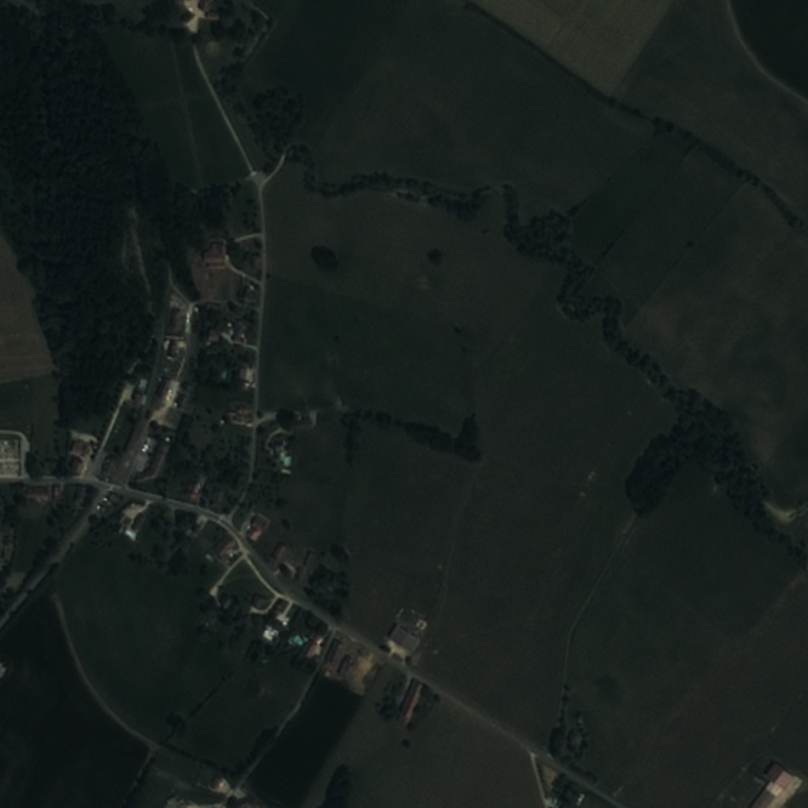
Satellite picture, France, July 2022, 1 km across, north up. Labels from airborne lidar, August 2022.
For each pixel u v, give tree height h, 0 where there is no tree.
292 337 0
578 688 0
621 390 0
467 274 0
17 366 0
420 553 0
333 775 0
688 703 0
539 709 0
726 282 0
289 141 14
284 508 10
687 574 0
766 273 0
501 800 0
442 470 0
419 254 0
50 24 21
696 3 0
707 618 0
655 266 0
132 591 0
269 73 0
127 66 0
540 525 0
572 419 0
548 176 0
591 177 0
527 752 0
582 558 0
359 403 0
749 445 0
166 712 0
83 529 0
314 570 0
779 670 0
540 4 0
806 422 0
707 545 0
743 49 0
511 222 13
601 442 0
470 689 0
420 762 0
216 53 0
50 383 0
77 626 0
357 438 19
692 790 0
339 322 0
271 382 0
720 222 0
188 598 0
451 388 0
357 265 0
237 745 0
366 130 0
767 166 0
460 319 0
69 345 22
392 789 0
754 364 0
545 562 0
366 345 0
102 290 24
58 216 20
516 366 0
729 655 0
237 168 0
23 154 9
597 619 0
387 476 0
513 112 0
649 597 0
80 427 0
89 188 11
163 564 8
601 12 0
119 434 0
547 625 0
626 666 0
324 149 0
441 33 0
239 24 25
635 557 0
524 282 0
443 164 0
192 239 16
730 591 0
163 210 20
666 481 24
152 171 19
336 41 0
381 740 0
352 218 0
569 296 15
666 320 0
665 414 0
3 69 32
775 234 0
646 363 16
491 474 0
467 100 0
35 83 6
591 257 0
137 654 0
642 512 17
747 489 16
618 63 0
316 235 0
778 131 0
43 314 9
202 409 0
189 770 0
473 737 0
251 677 0
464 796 0
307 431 0
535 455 0
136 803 13
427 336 0
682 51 0
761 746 0
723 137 0
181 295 0
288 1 0
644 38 0
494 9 0
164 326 0
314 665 7
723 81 0
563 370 0
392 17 0
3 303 0
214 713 0
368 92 0
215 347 11
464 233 0
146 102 0
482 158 0
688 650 0
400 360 0
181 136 0
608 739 0
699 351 0
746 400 0
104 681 0
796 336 0
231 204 20
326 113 0
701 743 0
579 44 0
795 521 0
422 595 0
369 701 0
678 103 0
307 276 0
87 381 18
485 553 0
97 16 22
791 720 0
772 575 0
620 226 0
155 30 19
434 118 0
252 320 9
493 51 0
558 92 0
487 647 0
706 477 0
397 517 0
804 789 0
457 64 0
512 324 0
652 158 0
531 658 0
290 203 0
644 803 0
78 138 8
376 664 0
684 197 0
